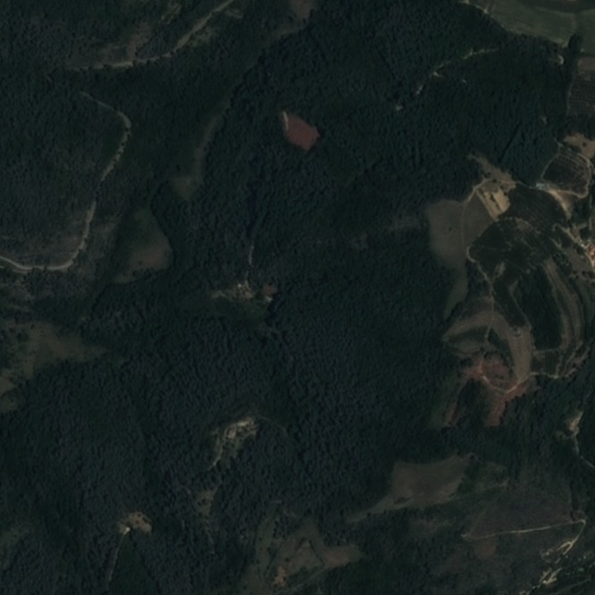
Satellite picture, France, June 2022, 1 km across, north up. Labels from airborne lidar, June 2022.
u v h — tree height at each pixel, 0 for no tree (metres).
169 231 21
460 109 13
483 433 17
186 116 23
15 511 13
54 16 19
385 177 19
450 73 15
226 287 12
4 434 19
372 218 13
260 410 6
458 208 0
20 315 18
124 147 12
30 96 22
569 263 7
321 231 13
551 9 0
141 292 21
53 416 14
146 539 19
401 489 0
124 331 23
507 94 11
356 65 23
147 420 13
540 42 15
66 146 9
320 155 17
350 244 6
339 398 18
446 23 14
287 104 16
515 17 0
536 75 12
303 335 15
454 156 12
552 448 11
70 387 22
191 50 17
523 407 13
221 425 9
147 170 8
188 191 0
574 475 11
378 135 21
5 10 20
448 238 0
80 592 21
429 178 17
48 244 7
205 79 17
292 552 0
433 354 9
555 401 19
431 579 15
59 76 30
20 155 11
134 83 25
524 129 27
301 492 11
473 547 0
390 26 22
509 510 0
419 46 14
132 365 24
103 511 16
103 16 8
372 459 13
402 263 18
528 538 0
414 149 28
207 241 9
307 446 17
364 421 17
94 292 15
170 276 24
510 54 13
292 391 24
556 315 10
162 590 16
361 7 17
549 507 0
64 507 11
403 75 21
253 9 14
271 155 19
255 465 20
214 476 11
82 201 13
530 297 11
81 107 19
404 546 11
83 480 12
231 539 8
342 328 18
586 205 9
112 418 24
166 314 22
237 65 21
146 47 14
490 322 0
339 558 0
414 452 15
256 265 10
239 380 21
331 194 23
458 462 0
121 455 20
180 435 21
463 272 0
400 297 19
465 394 11
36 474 17
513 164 23
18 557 10
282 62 21
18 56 12
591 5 0
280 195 26
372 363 21
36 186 16
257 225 25
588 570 16
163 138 18
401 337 15
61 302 23
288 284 15
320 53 27
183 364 26
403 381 17
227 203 16
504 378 8
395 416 15
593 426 12
